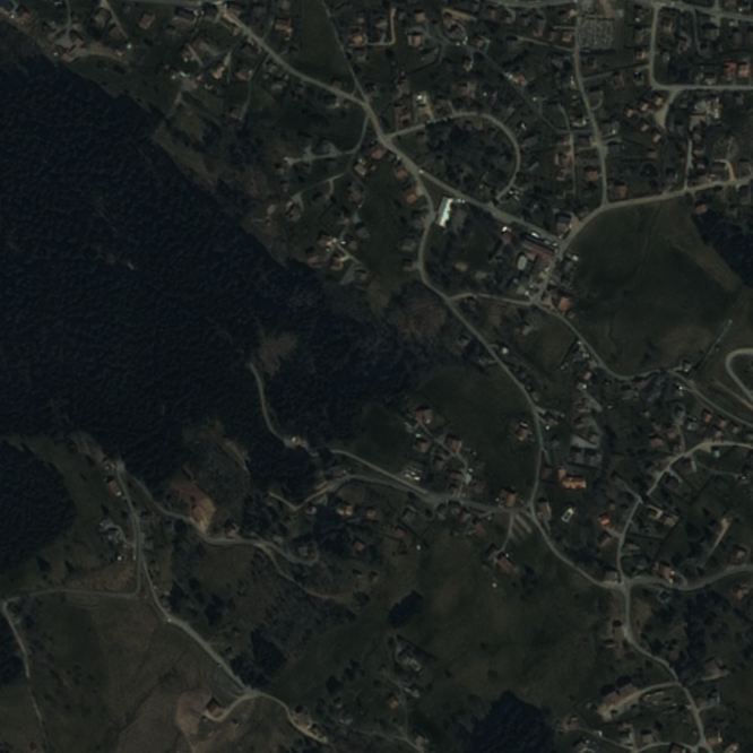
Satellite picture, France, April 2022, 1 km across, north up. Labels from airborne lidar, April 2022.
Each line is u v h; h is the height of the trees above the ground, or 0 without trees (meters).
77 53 0
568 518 0
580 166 0
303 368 23
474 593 0
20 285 31
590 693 0
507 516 0
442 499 0
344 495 0
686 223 0
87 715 0
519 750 29
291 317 34
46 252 23
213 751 0
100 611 0
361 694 0
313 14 0
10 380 24
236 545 0
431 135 11
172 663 0
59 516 31
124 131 31
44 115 33
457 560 0
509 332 9
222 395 31
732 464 0
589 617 0
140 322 27
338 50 0
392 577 0
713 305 0
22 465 25
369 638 0
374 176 0
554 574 0
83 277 26
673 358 0
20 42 7
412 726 0
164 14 0
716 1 0
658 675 0
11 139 25
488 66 0
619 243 0
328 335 20
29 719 0
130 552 0
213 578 0
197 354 27
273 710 0
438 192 0
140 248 31
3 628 29
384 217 0
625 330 0
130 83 0
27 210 34
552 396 0
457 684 0
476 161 16
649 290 0
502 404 0
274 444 28
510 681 0
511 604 0
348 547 16
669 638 0
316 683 0
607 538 0
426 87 0
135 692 0
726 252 22
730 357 0
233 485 8
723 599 11
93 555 0
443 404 0
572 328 0
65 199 29
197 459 7
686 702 0
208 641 0
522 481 0
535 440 0
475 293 16
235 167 12
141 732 0
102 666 0
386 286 0
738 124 0
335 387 9
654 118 0
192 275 31
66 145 33
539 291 0
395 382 31
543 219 0
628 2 0
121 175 33
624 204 0
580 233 0
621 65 0
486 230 17
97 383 24
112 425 28
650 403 0
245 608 0
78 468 0
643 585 0
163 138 0
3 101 27
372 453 0
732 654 0
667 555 0
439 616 0
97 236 31
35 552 25
